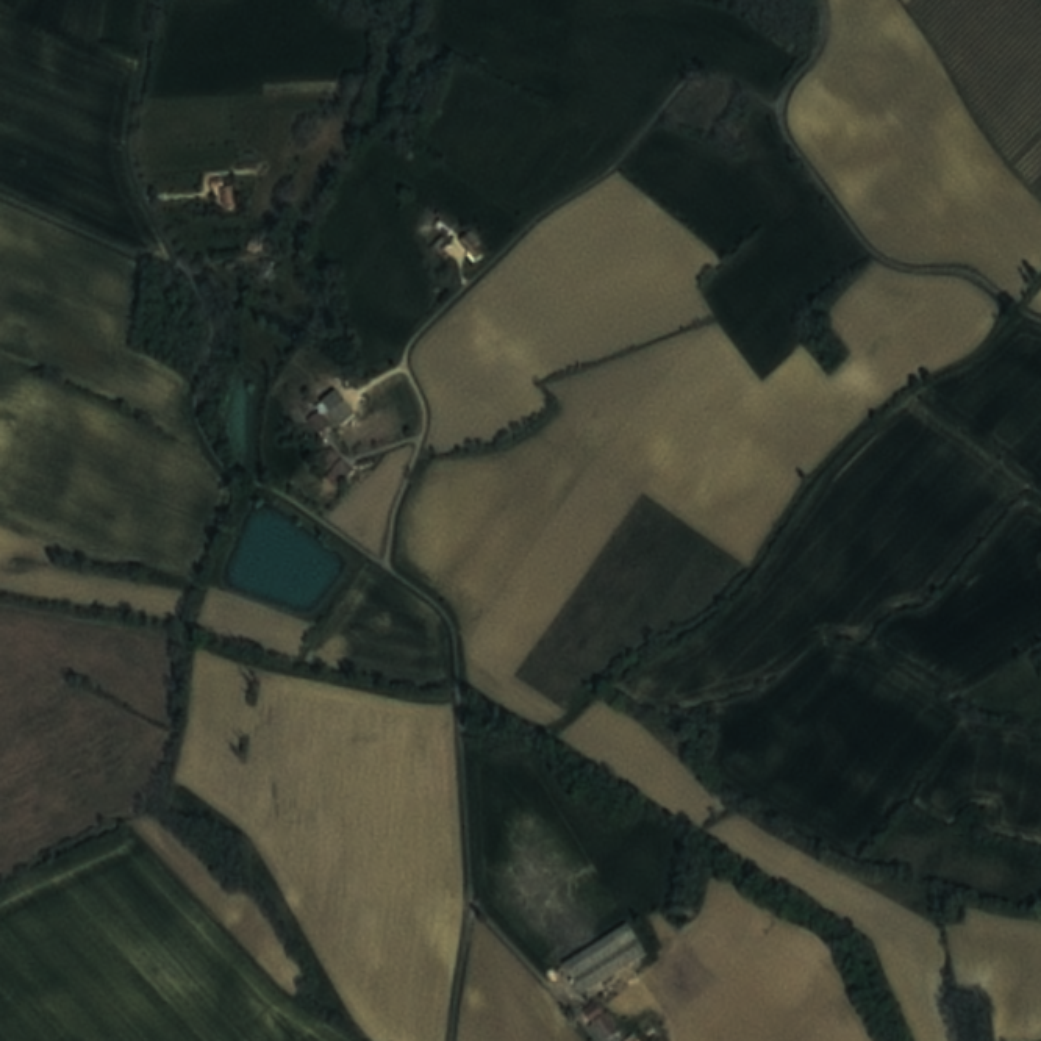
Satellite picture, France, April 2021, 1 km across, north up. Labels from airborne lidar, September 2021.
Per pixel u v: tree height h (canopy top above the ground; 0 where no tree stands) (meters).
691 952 0
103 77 0
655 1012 0
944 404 0
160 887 0
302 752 0
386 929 0
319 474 8
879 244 0
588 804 17
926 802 0
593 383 0
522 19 0
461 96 0
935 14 0
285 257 12
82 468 0
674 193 0
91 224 0
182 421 0
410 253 0
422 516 0
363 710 0
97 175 0
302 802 0
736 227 0
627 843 0
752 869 10
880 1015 16
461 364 0
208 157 0
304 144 20
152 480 0
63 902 0
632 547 0
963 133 0
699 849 21
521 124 0
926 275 0
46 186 0
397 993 0
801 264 0
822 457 0
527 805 0
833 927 19
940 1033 0
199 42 0
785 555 0
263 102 0
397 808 0
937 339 0
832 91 0
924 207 0
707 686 0
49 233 0
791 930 0
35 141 0
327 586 0
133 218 0
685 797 0
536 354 0
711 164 0
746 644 0
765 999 0
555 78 0
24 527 0
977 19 0
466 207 0
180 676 17
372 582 0
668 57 0
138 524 0
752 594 0
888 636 0
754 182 0
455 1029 0
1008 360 0
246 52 0
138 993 0
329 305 31
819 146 0
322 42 0
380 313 0
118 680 0
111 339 0
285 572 0
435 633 0
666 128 15
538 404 0
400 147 20
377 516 0
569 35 0
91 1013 0
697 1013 0
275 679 0
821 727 0
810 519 0
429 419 0
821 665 0
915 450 0
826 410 0
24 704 0
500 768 0
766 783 0
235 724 0
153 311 21
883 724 0
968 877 0
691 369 0
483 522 0
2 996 0
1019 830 0
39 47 0
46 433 0
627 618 0
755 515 0
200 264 8
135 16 0
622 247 0
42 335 0
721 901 0
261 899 16
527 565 0
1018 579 0
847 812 0
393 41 22
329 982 0
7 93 0
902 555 0
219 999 0
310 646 9
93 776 0
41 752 0
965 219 0
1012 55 0
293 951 12
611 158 0
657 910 9
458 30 0
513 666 0
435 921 0
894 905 0
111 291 0
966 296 0
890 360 0
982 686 0
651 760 0
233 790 0
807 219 0
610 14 0
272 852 0
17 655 0
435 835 0
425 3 13
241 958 0
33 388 0
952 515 0
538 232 0
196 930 0
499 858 0
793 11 20
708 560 0
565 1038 0
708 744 11
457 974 0
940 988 0
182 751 9
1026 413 0
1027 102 0
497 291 0
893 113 0
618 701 18
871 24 0
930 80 0
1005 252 0
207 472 0
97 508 0
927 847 0
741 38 0
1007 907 13
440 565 0
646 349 0
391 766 0
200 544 0
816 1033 0
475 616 0
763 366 0
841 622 0
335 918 0
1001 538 0
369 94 22
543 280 0
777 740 0
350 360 19
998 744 0
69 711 0
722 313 0
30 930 0
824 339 13
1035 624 0
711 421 0
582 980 0
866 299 0
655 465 0
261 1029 0
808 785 0
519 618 0
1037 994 0
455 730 0
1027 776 0
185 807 0
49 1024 0
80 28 0
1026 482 0
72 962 0
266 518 0
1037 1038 0
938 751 0
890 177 0
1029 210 0
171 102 0
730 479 0
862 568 0
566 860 0
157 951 0
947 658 0
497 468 0
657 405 0
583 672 0
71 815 0
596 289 0
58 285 0
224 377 21
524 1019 0
